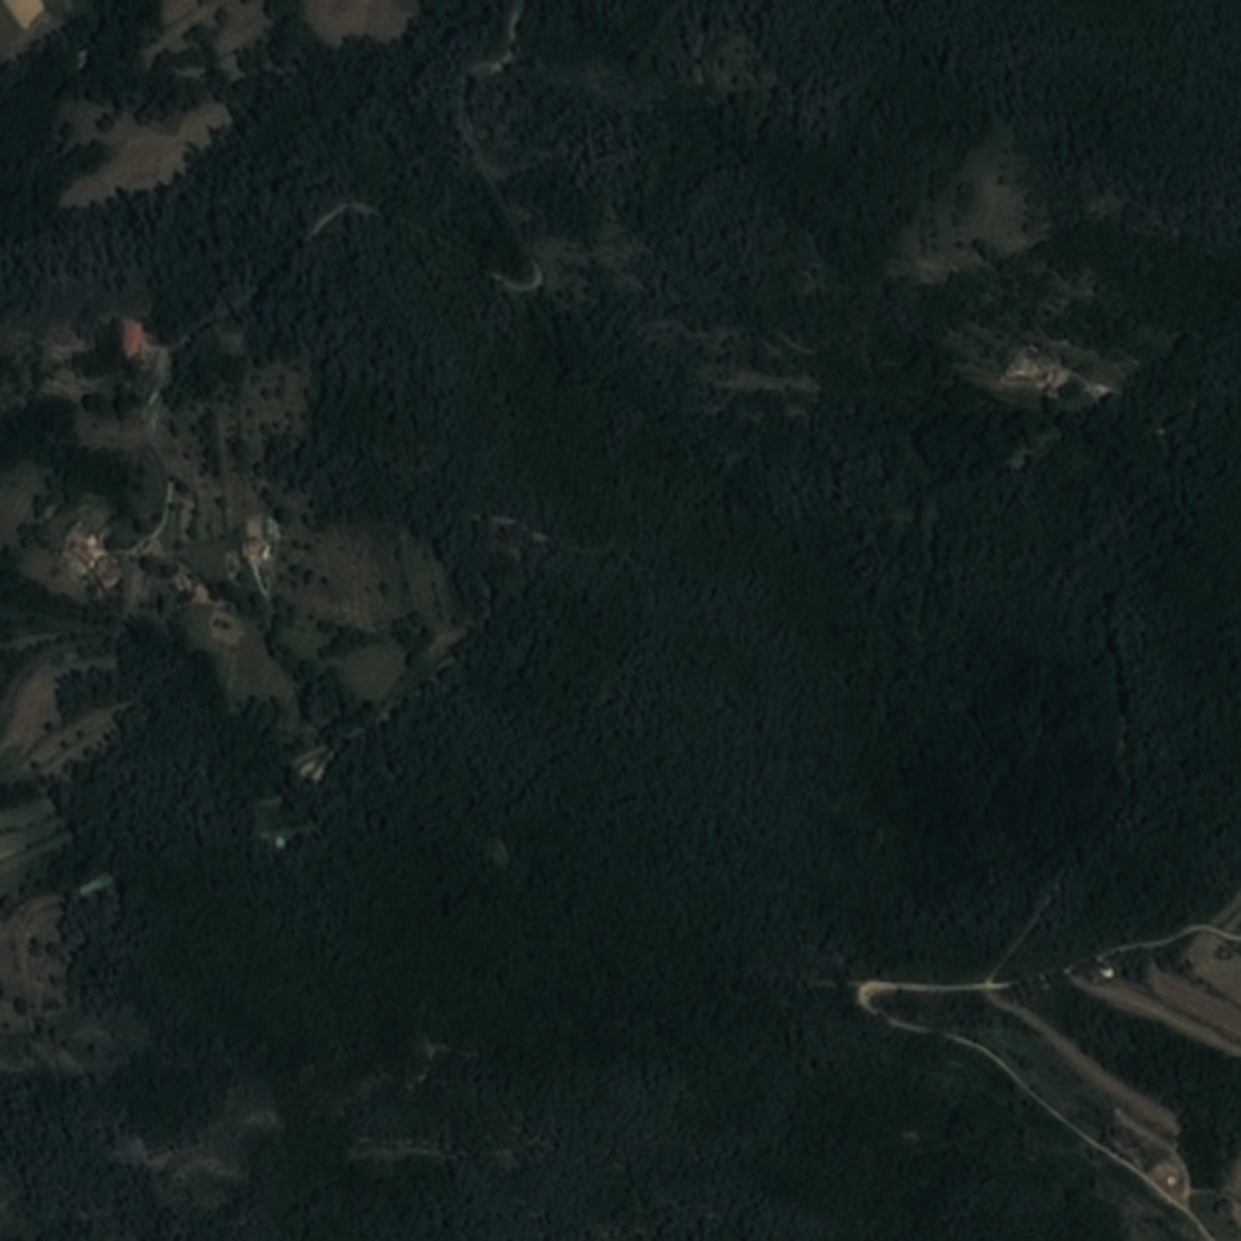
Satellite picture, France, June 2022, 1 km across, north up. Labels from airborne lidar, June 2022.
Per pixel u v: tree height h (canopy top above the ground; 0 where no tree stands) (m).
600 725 15
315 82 31
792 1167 16
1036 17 13
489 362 18
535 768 20
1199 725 12
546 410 20
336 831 14
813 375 9
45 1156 20
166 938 14
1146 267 18
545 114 7
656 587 17
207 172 13
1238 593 15
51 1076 6
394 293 19
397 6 0
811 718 22
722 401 10
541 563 13
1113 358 8
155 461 0
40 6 0
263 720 10
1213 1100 15
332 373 22
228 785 14
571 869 16
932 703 16
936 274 0
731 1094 15
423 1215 21
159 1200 10
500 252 13
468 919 17
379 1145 8
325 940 17
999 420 10
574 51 8
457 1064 6
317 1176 19
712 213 13
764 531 20
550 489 17
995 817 23
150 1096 10
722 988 8
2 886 0
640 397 14
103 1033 0
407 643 13
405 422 8
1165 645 9
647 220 12
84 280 16
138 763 17
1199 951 0
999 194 0
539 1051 12
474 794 15
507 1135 13
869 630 20
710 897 16
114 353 13
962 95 14
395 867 17
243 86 17
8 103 22
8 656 10
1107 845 18
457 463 12
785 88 6
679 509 19
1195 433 16
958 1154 13
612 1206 15
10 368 8
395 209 19
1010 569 10
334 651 10
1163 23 18
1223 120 23
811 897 16
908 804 21
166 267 17
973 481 15
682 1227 12
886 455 11
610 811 16
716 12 9
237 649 0
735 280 11
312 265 18
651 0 12
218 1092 8
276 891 16
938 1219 19
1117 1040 18
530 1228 17
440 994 15
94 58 16
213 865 13
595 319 9
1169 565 18
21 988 0
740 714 22
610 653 9
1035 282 9
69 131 14
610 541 12
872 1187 13
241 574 10
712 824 18
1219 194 19
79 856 11
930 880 23
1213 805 9
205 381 11
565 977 12
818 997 7
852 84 17
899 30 15
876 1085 8
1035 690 16
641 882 18
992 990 0
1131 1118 0
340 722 10
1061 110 16
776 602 21
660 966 18
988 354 9
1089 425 11
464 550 16
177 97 25
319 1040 15
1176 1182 0
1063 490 10
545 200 13
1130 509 11
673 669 14
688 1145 10
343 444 10
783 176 15
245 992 16
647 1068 15
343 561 0
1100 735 11
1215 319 10
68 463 13
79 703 14
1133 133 18
